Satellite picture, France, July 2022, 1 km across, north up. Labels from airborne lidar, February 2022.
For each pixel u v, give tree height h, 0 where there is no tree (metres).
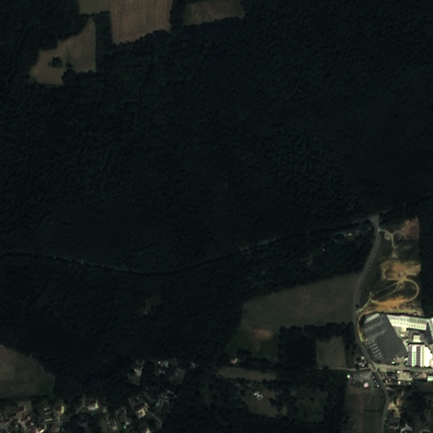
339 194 20
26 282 16
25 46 25
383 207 17
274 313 0
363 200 20
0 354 0
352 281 0
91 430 9
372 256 0
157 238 16
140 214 24
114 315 12
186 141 24
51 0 20
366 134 23
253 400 0
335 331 11
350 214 21
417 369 0
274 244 13
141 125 26
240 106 26
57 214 25
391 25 8
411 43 16
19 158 11
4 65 14
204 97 13
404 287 0
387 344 0
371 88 24
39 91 17
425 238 21
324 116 21
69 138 9
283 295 0
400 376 0
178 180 14
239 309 16
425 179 24
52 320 15
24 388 0
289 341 13
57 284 9
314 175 16
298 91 21
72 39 0
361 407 0
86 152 28
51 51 0
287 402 20
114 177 24
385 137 24
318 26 15
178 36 9
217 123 21
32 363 0
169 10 0
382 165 26
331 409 9
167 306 24
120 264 24
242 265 22
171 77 11
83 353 13
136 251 22
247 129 25
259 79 24
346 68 24
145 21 0
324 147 21
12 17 19
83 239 25
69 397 9
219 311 27
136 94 7
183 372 0
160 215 19
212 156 23
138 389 13
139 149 28
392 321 0
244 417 17
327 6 29
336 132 26
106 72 12
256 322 0
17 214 15
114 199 28
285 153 13
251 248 15
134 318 20
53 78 0
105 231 25
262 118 25
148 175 26
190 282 23
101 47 8
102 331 23
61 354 12
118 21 0
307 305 0
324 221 21
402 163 24
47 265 10
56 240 23
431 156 25
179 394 25
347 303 0
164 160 20
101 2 0
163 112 32
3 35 20
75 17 22
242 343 0
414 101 25
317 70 20
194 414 29
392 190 23
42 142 13
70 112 15
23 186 19
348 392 0
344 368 0
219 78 23
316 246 11
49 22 21
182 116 26
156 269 11
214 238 24
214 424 23
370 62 23
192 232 20
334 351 0
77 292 21
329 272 6
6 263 25
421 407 19
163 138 24
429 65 21
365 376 0
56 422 0
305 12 18
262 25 20
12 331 14
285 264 5
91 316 11
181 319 26
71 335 13
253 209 19
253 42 29
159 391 16
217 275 18
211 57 30
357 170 18
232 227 23
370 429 0
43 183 14
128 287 21
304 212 18
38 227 26
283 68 24
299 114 25
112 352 29
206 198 17
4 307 20
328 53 23
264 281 9
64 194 15
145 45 16
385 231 0
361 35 17
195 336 21
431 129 25
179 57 29
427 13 13
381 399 0
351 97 21
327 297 0
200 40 27
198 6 0
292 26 20
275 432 7
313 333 19
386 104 26
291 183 13
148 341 22
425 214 21
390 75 18
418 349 0
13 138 30
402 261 0
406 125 26
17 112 12
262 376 0
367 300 0
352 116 21
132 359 21
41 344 12
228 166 16
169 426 27
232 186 25
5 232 23
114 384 18
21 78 17
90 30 0
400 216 17
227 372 0
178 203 23
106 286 12
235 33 27
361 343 0
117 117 23
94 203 21
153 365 14
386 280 0
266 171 26
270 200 20
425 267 20
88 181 27
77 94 26
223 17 0
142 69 12
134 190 24
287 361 12
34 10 23
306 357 15
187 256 23
